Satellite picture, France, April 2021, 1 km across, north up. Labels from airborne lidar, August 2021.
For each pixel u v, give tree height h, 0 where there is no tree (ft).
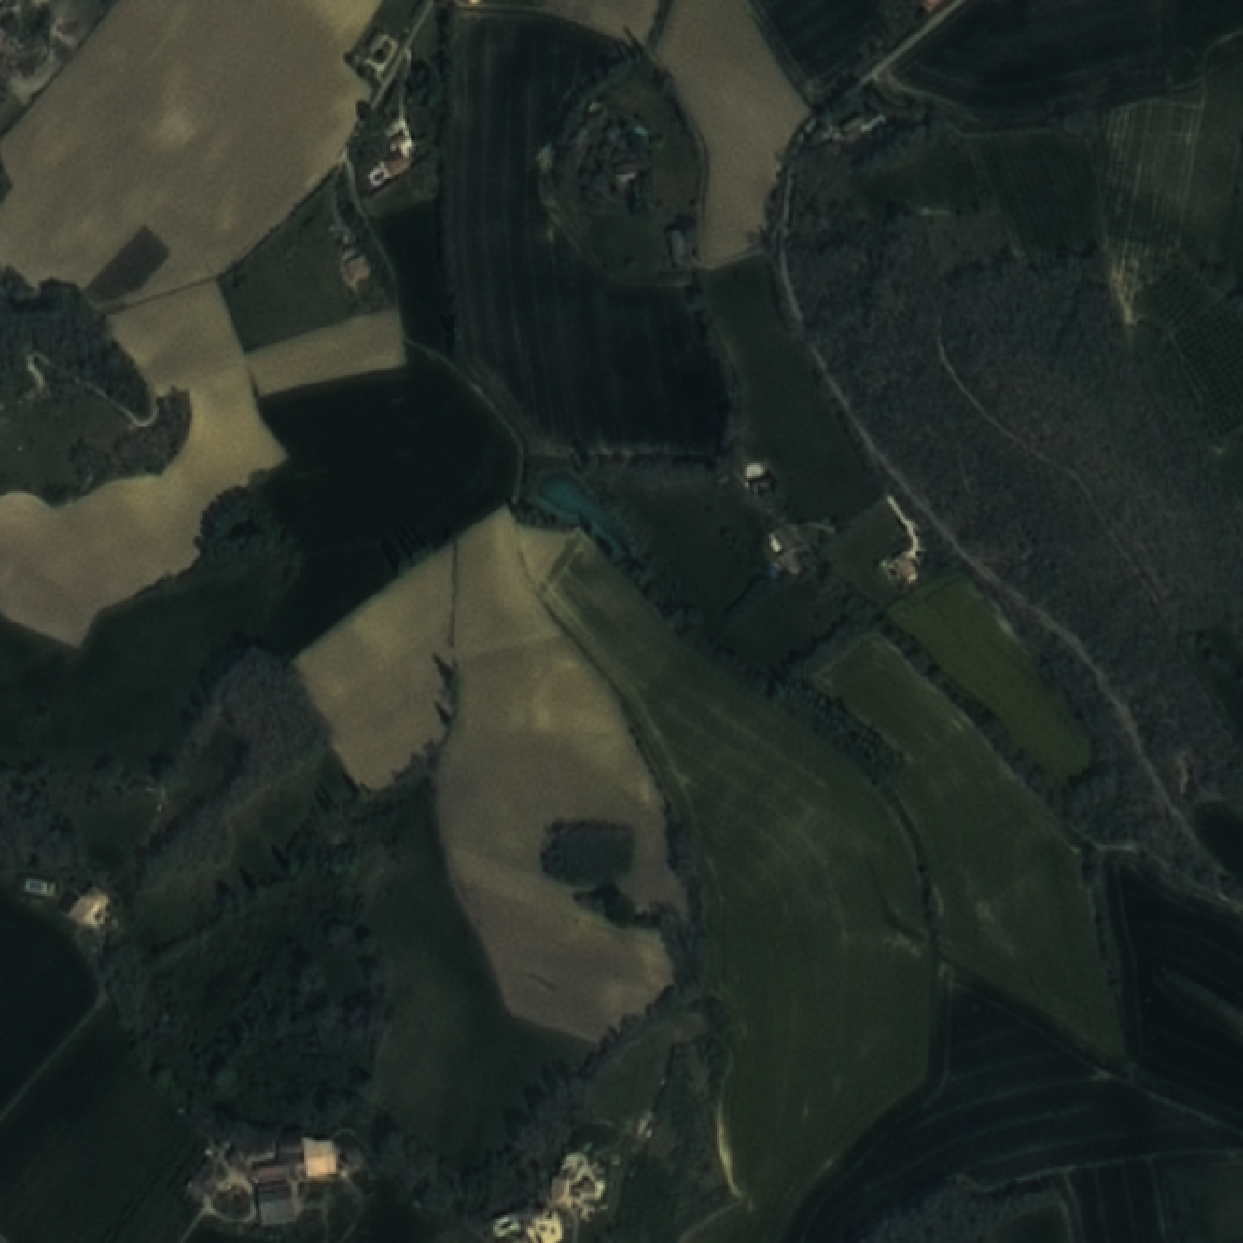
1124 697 47
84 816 0
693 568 0
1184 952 0
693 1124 26
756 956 0
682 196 0
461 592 0
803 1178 0
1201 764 40
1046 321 59
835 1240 0
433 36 0
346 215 29
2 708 0
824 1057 0
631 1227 19
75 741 0
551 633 0
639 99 0
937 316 25
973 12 0
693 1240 0
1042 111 0
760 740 0
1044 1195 39
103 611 0
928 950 0
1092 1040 0
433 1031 0
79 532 0
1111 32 0
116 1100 0
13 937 0
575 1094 66
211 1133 34
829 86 0
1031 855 0
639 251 0
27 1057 0
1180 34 0
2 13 0
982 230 0
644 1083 0
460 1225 19
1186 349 19
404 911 0
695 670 0
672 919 57
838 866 0
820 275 38
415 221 0
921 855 0
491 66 0
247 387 0
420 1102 0
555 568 0
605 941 0
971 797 0
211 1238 0
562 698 0
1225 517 60
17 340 70
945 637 0
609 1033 0
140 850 0
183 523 0
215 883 0
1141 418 52
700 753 0
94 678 0
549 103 0
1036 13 0
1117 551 36
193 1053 25
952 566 38
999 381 25
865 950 0
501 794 0
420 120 0
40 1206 0
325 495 0
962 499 37
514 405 0
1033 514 28
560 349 0
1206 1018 0
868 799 0
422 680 0
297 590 0
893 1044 0
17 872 33
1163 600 38
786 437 0
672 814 36
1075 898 0
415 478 0
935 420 26
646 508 0
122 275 0
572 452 0
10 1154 0
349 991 0
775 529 36
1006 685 0
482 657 0
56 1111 0
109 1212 0
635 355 0
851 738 105
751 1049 0
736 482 19
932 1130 0
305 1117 50
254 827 0
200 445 0
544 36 0
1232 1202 0
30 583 0
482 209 0
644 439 0
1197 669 35
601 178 46
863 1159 0
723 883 0
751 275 0
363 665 0
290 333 0
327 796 0
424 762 38
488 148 0
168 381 0
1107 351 65
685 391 0
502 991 0
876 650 0
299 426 0
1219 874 53
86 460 69
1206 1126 0
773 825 0
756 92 0
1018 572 28
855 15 0
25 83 0
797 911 0
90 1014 0
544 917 0
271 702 82
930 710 0
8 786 37
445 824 0
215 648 0
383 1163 51
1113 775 62
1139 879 0
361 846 20
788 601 0
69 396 49
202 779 0
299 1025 23
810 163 46
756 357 0
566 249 0
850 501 0
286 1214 0
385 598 0
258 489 33
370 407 0
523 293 0
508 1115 0
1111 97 0
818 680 33
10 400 51
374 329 0
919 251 43
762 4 0
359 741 0
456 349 53
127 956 76
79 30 0
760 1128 0
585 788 0
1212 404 18
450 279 45
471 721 0
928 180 0
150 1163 0
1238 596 53
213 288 0
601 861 47
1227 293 35
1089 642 36
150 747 0
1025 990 0
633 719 0
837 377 51
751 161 0
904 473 57
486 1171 30
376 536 0
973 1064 0
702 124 0
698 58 0
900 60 0
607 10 0
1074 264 59
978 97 0
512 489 0
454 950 0
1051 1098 0
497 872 0
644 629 0
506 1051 0
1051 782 46
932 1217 68
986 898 0
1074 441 32
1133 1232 0
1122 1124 0
